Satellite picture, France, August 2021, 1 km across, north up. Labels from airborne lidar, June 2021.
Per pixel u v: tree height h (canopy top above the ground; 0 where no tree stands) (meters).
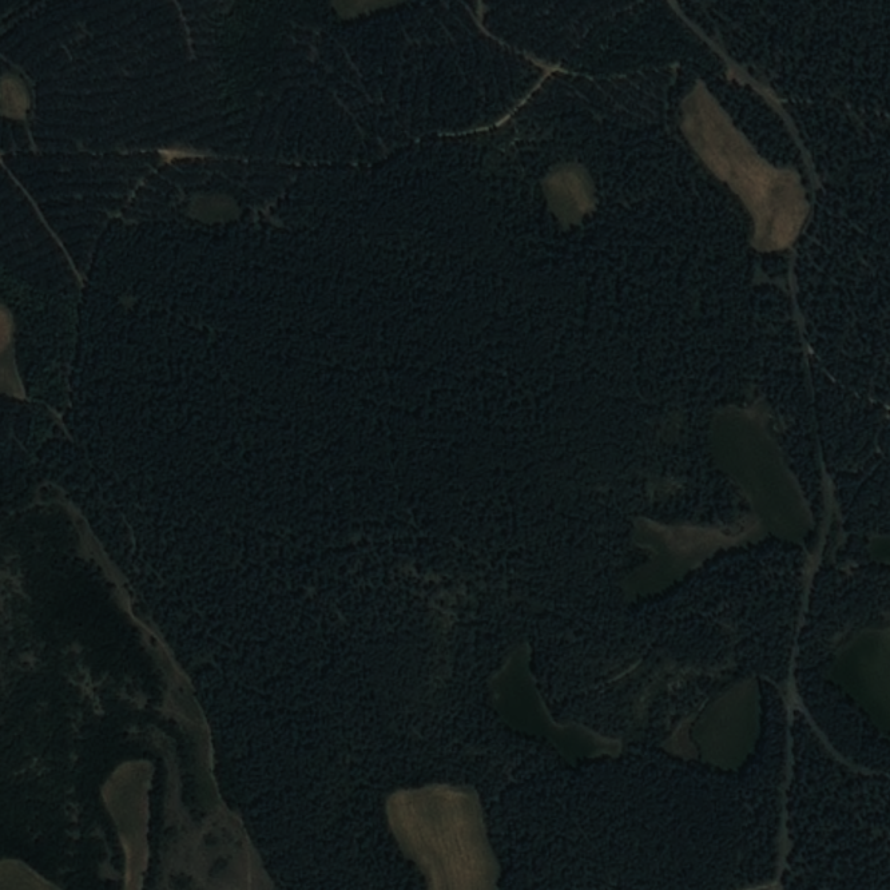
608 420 15
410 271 8
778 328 8
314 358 15
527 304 15
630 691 7
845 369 15
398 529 16
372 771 16
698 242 16
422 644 9
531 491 15
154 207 10
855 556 14
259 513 18
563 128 6
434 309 13
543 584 12
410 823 0
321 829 12
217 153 12
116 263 15
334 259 11
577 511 16
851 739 18
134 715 7
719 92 13
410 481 12
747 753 0
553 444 10
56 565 8
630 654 8
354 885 13
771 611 11
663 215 18
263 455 15
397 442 17
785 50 17
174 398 13
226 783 7
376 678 12
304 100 13
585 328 7
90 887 12
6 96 0
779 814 12
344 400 17
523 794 11
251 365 14
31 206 13
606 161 13
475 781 9
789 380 14
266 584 13
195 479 15
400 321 13
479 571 12
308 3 13
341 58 9
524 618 14
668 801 20
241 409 18
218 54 11
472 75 14
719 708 0
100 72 12
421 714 7
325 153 13
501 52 11
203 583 11
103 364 18
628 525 14
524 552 13
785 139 14
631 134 13
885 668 0
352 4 0
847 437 16
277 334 13
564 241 10
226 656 13
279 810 14
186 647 14
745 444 0
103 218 10
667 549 0
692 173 15
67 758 8
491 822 8
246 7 7
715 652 17
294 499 16
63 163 11
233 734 16
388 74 14
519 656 0
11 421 11
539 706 0
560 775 14
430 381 14
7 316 0
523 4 9
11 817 9
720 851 17
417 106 15
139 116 13
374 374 16
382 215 15
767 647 11
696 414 13
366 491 16
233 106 10
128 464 14
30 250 11
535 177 13
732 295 13
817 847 10
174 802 0
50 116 12
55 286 13
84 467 15
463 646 11
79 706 8
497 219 16
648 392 14
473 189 16
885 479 11
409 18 12
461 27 10
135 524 12
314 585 14
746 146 0
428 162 15
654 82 11
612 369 14
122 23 13
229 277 15
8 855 12
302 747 14
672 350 16
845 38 8
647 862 14
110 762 13
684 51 12
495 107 9
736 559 15
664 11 12
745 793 9
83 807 6
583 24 11
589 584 11
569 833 13
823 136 15
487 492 15
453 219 15
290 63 13
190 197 12
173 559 15
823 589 15
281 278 14
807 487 12
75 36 10
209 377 13
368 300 12
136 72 11
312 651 14
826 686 17
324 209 13
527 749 11
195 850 0
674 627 13
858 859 13
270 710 12
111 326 18
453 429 15
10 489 10
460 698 9
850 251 13
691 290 16
